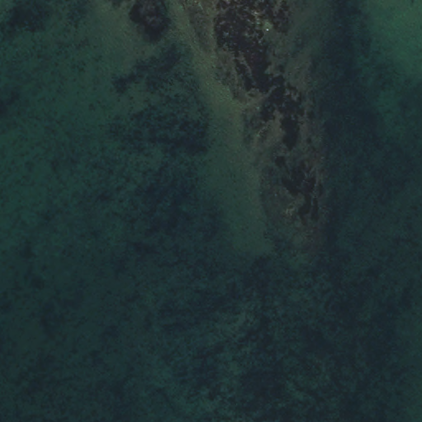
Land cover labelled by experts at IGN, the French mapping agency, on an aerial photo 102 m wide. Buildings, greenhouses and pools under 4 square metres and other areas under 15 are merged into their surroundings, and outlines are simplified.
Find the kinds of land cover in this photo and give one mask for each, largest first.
<instances>
[{"label":"water","instance_id":"1","mask_svg":"<svg viewBox=\"0 0 422 422\"><path fill-rule=\"evenodd\" d=\"M0 422H422V0H0Z\"/></svg>","mask_w":422,"mask_h":422}]
</instances>
